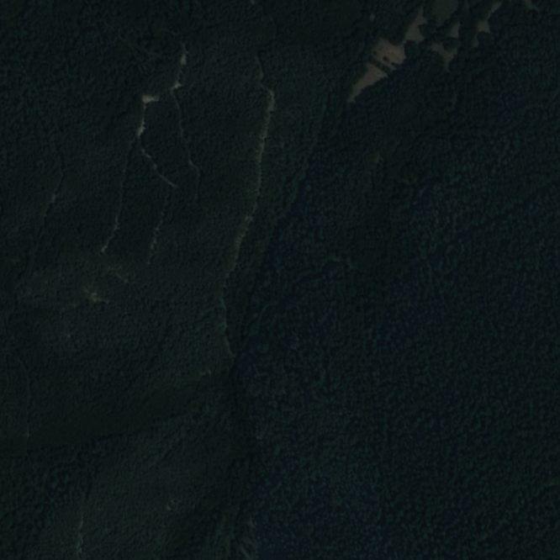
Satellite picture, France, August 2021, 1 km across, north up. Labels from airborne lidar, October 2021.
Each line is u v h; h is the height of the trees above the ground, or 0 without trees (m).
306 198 9
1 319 25
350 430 18
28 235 23
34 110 28
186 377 24
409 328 15
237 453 16
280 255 26
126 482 25
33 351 25
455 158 28
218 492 17
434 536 16
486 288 21
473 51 13
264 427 16
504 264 22
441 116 9
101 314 26
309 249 25
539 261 22
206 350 16
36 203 19
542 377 22
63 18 26
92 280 11
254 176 21
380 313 32
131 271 13
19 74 19
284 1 27
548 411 26
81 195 20
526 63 22
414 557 30
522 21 23
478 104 20
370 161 18
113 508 15
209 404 11
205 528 11
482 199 23
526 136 22
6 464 25
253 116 21
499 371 20
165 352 32
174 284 24
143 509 16
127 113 9
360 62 18
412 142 19
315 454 19
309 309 19
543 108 17
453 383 26
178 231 22
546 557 15
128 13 25
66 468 29
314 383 36
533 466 26
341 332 29
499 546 20
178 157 21
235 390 13
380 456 29
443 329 27
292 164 25
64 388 24
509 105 21
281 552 11
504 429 26
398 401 26
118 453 20
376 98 30
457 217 33
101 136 20
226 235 23
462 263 25
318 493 15
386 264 22
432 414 10
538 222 25
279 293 26
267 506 10
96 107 18
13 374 19
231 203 24
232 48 24
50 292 18
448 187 25
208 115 23
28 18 29
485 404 26
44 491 24
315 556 17
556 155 25
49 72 26
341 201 25
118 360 19
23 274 13
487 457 28
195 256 16
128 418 20
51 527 20
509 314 28
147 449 21
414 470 19
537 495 22
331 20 15
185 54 18
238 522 10
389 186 17
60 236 24
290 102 19
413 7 9
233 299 17
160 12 10
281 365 38
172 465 19
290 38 18
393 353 29
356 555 21
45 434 16
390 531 24
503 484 27
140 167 27
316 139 26
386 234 21
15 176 25
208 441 28
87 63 28
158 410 19
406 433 29
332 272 17
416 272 12
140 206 23
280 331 15
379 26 21
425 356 30
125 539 23
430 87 20
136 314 26
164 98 23
